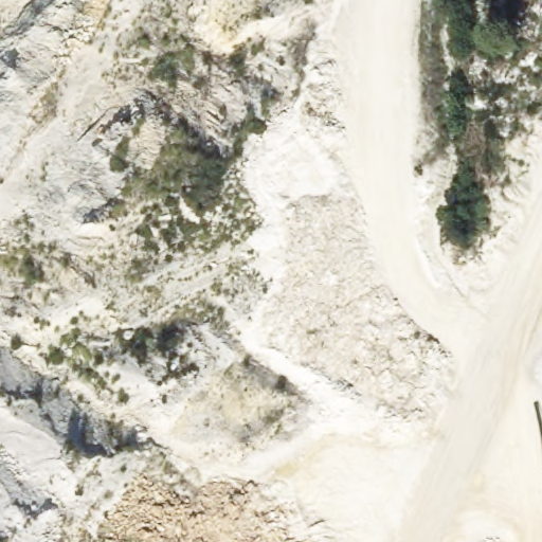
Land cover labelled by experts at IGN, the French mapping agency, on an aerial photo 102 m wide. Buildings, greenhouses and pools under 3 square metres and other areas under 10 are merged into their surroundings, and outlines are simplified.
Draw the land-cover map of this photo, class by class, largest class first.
<instances>
[{"label":"pervious surface","instance_id":"1","mask_svg":"<svg viewBox=\"0 0 542 542\"><path fill-rule=\"evenodd\" d=\"M432 6V0H0V542H542V121L523 112V131L510 144H506V167L498 174L483 171L476 176V180L485 186V195L491 201V224L485 235L474 237V243L468 250L447 243L440 235L436 210L447 203L445 193L451 186L457 165L455 146H447L445 157L434 148V142L438 140V127L434 110L421 102L417 59L419 15ZM246 104H252L256 119H260L267 125L265 133L248 136L241 152V157L246 159L243 186L256 201V214L263 218V227L256 229L243 243H222L216 252L191 248L186 252L167 250V243L161 235L171 220L165 199L159 195H152L148 199L123 195V178L119 171L110 169L114 148L125 136L129 140L127 161L136 163L142 169H150L157 161L161 144L165 142V127L176 129L180 116H184L188 125L197 127L201 133L212 138L218 148L233 146V138H222V129H231L235 123L246 119ZM23 248H30L32 258L40 263L44 271V282H36L32 288H25L21 275ZM529 11L525 0H476L478 23H483L485 19L489 23H525V13ZM442 59L447 70L453 72L455 57L449 51V32L440 30ZM538 57L536 53H527V57L521 59L512 70L487 66L481 57L474 59L468 78L472 85L474 100L468 104V108H485V100H481V93L483 87L491 85L493 80L514 83L525 66H529L536 72ZM171 197L180 205L182 216L191 222H199V216L188 207L182 193H171Z\"/></svg>","mask_w":542,"mask_h":542},{"label":"herbaceous vegetation","instance_id":"2","mask_svg":"<svg viewBox=\"0 0 542 542\"><path fill-rule=\"evenodd\" d=\"M529 11L525 13V23H489L485 19L483 23H478L476 0H432V6L419 15L417 59L421 102L434 110L438 127V140L434 142V148L445 157L447 146H455L457 165L466 159L474 167L476 176L483 171L498 174L506 167V144H510L523 131V112L542 121V0H525ZM440 30L449 32V51L455 57L453 72L447 70L442 59ZM527 53H536L538 57L536 72L529 66H525L514 83L493 80L491 85L483 87L481 93V100H485V108H468V104L474 100L472 85L468 78L474 59L481 57L487 66L512 70L521 59L527 57ZM267 125L260 119H256L252 104H246V119L235 123L231 129H222V138H233V146L218 148L212 138L201 133L197 127L188 125L184 116H180L176 129L165 127V142L161 144L157 161L150 169H142L136 163L127 161L129 140L125 136L114 148L110 169L119 171L123 178V195L148 199L152 195H159L165 199L171 220L161 235L167 243V250L186 252L191 248L216 252L222 243H243L256 229L263 227V218L256 214V201L243 186L246 159L241 157V152L248 136L265 133ZM171 193H182L188 207L199 216V222H191L182 216L180 205L171 197ZM21 275L25 288H32L36 282H44V271L40 263L32 258L30 248H23Z\"/></svg>","mask_w":542,"mask_h":542},{"label":"brushwood","instance_id":"3","mask_svg":"<svg viewBox=\"0 0 542 542\"><path fill-rule=\"evenodd\" d=\"M447 203L436 210L440 235L447 243L468 250L474 243V237L485 235L491 224V201L485 195V186L476 180V176L474 167L466 159L457 165L451 186L445 193Z\"/></svg>","mask_w":542,"mask_h":542}]
</instances>
